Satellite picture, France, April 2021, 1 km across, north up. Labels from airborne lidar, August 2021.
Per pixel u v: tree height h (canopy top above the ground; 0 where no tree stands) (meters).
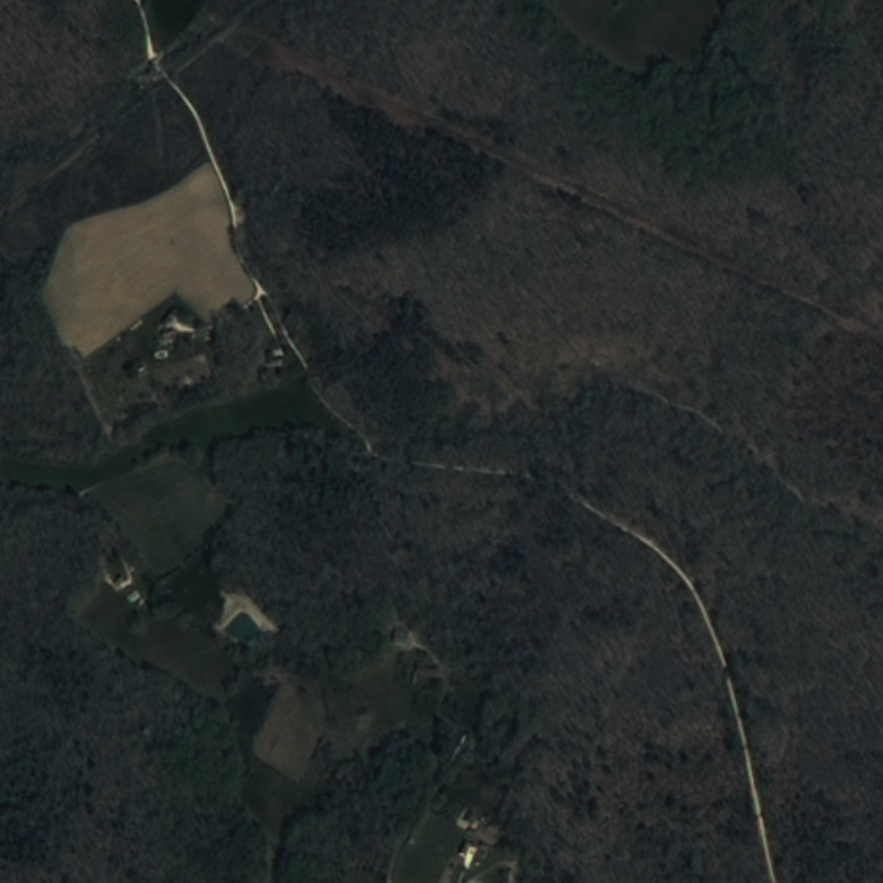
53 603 20
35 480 0
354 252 20
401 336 23
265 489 18
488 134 10
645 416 30
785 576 23
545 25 24
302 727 0
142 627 19
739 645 17
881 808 13
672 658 14
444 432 17
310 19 21
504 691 15
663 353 21
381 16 15
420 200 20
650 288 19
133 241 0
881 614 21
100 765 13
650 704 16
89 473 0
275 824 0
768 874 10
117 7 18
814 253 14
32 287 12
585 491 21
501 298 18
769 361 21
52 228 0
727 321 17
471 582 21
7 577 21
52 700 16
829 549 26
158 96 19
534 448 22
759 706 18
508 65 14
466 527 16
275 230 18
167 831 22
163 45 0
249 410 0
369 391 23
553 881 10
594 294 21
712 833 10
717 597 21
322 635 27
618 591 12
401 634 0
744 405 24
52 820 14
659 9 0
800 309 21
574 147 16
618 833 6
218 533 11
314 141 17
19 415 8
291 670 13
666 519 14
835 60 16
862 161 13
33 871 17
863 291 16
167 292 0
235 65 12
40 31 14
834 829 12
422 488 15
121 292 0
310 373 10
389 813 19
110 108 25
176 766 18
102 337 0
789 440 17
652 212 17
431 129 0
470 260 21
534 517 15
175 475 0
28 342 22
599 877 13
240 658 8
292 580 21
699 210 18
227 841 20
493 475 11
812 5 18
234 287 0
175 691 18
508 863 0
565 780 13
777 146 20
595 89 21
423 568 15
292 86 13
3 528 28
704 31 0
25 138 23
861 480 22
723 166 15
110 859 7
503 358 16
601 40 0
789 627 21
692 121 26
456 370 15
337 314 15
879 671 13
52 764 19
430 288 15
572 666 17
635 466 18
